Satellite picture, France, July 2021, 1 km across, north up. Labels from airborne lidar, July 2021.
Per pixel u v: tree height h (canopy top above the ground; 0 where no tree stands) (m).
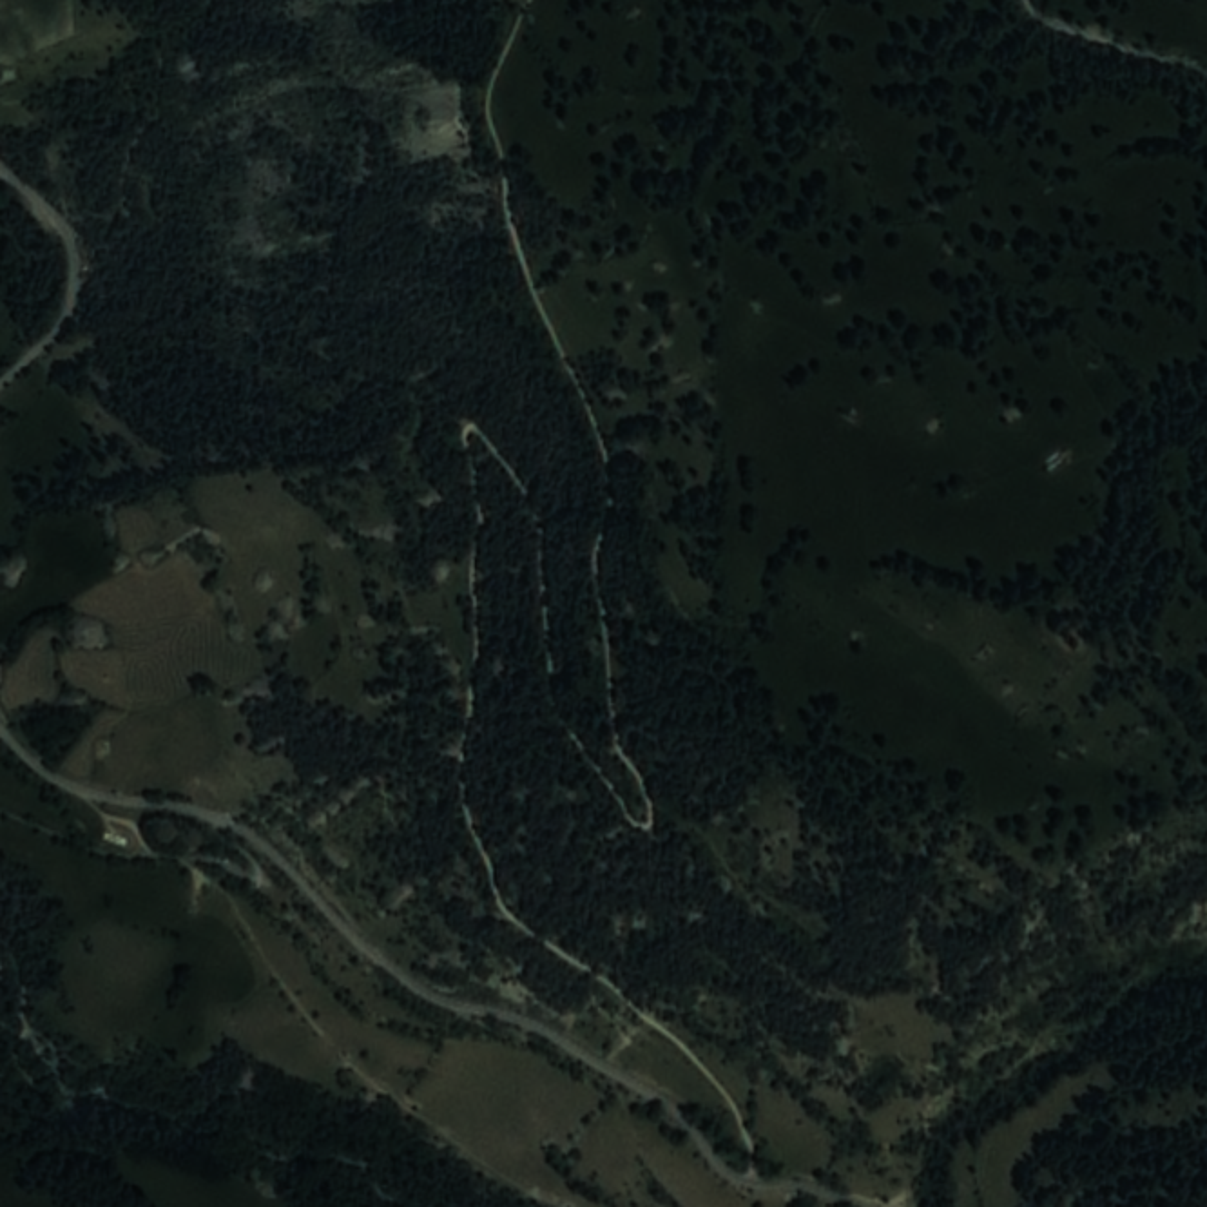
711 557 11
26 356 0
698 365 0
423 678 9
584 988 11
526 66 0
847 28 0
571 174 0
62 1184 15
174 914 0
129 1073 8
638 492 19
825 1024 12
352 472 10
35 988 10
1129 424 19
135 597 0
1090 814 19
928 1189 6
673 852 13
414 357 16
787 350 0
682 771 16
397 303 9
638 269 0
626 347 0
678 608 10
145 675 0
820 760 22
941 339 12
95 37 0
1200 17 0
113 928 0
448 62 20
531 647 22
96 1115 29
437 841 13
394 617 12
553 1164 8
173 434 14
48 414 0
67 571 0
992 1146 0
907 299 0
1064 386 0
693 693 18
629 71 0
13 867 12
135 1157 19
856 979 12
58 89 9
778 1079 7
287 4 7
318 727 12
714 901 12
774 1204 0
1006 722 0
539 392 12
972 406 0
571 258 18
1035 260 16
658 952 16
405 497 8
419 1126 8
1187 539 8
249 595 0
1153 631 24
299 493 11
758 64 0
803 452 0
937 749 0
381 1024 7
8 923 17
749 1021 10
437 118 0
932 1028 0
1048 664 0
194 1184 0
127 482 17
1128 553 29
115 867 8
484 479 13
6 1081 14
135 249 12
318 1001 0
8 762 13
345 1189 13
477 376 17
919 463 0
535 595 17
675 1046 0
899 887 15
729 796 13
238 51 7
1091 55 23
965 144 17
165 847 7
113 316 14
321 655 0
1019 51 27
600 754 16
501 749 12
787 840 6
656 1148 0
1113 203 0
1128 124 0
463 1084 0
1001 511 0
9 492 0
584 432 19
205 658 0
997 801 0
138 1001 0
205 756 0
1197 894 12
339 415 8
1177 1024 23
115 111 7
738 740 17
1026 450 0
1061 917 12
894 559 15
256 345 10
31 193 0
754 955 10
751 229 22
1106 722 0
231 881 11
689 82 23
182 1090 11
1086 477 0
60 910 15
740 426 0
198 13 12
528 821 11
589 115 0
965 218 0
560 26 0
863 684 0
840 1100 0
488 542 12
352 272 9
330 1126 18
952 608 0
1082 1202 12
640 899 12
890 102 22
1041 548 0
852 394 0
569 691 21
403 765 11
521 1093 0
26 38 0
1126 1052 20
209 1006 0
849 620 0
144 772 0
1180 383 23
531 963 14
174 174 10
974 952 15
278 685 12
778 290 0
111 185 8
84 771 0
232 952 0
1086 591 17
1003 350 0
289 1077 14
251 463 11
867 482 0
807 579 0
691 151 0
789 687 0
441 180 7
